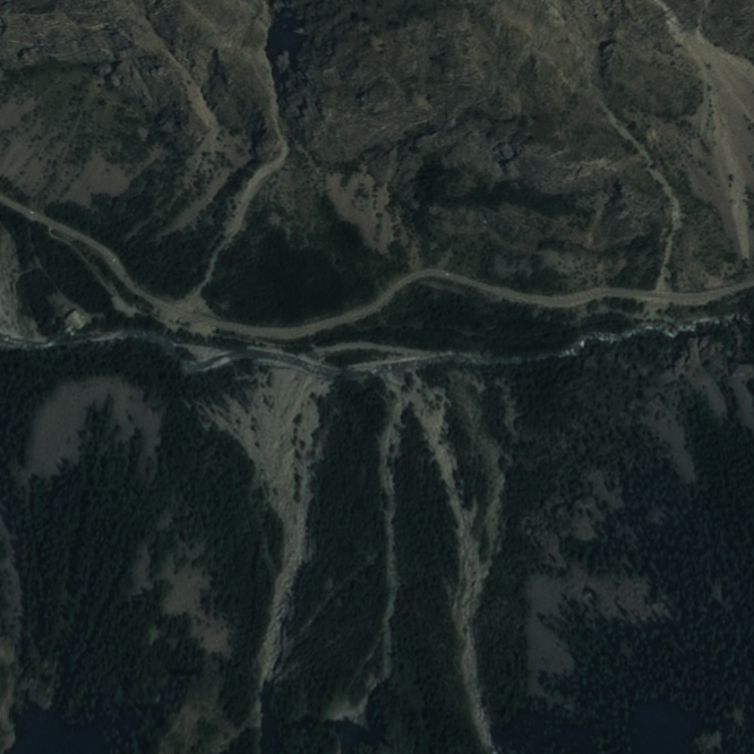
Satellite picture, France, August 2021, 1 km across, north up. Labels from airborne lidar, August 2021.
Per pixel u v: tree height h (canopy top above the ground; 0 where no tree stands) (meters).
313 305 10
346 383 9
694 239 0
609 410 9
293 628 7
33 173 0
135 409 0
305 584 10
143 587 0
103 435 17
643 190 6
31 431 10
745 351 9
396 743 6
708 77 0
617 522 10
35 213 0
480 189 6
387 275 6
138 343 9
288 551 0
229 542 9
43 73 0
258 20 0
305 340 11
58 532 17
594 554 10
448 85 10
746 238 0
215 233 8
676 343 8
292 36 0
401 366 0
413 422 11
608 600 0
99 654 23
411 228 6
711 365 13
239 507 7
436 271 0
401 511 7
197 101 0
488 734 0
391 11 0
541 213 6
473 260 7
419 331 7
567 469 9
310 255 9
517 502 9
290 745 7
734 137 0
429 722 12
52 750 21
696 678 22
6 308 0
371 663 6
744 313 11
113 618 22
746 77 0
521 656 6
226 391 8
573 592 0
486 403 8
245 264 8
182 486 8
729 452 15
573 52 0
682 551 26
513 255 8
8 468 16
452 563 8
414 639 7
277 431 0
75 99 7
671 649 16
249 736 10
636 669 12
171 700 20
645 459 11
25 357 11
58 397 0
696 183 0
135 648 16
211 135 0
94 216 7
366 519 8
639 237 6
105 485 10
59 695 12
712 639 28
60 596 11
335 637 8
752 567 16
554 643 0
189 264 8
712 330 15
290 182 0
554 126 0
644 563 10
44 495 8
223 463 6
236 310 8
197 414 8
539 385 10
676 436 0
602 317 11
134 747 24
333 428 9
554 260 0
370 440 7
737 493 14
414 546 6
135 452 12
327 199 6
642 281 5
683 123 7
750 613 11
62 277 9
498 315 7
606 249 6
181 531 6
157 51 0
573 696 21
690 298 0
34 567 8
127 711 15
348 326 8
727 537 14
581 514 10
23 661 7
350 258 6
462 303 11
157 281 8
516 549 8
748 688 20
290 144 7
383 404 9
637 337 12
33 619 11
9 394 21
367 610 8
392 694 13
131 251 11
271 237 6
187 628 12
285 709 14
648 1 0
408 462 9
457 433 7
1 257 0
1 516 0
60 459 0
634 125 11
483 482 9
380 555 6
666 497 11
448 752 7
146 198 8
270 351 0
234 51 0
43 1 0
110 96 0
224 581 8
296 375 0
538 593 0
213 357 0
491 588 6
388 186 6
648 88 6
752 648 24
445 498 7
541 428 6
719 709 15
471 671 0
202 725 9
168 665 9
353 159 6
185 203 6
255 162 11
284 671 5
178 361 10
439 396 7
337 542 10
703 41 0
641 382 12
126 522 11
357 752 13
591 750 5
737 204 0
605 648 8
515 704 10
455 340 6
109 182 0
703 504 10
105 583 23
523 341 8
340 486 12
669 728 14
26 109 0
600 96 0
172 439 7
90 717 24
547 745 7
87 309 13
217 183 0
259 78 0
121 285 6
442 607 6
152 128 8
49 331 11
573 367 9
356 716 0
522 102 0
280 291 14
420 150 10
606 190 5
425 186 15
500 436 8
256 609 6
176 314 0
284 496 0
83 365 14
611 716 17
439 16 0
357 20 10
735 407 8
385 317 6
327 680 17
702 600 20
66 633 6
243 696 8
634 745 8
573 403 6
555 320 7
